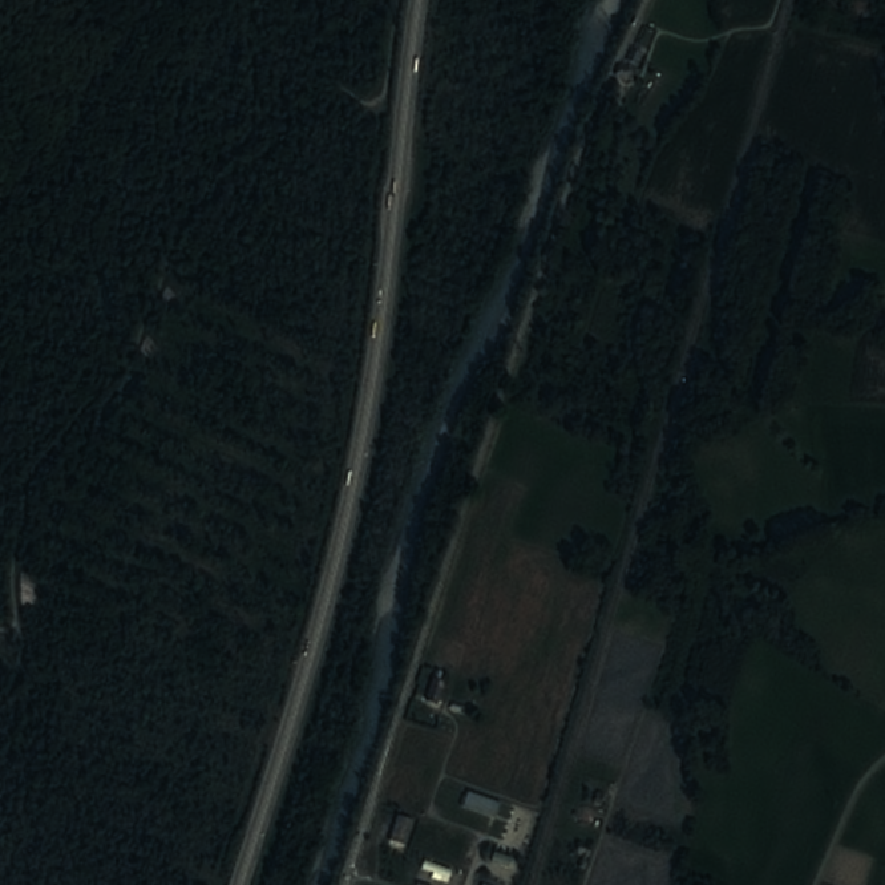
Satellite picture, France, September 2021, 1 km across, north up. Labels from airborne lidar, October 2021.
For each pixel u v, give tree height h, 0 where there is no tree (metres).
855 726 0
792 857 0
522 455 0
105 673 6
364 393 0
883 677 0
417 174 0
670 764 0
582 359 9
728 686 8
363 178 10
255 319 23
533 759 0
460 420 20
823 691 0
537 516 0
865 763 0
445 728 0
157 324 14
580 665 8
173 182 16
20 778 14
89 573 23
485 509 0
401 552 0
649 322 27
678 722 21
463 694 0
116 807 13
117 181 17
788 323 21
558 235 25
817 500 0
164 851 17
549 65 13
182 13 28
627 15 8
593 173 9
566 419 6
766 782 0
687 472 25
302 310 12
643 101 0
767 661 0
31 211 23
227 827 8
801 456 11
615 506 0
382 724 7
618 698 0
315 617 0
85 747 7
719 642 9
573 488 0
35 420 19
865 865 0
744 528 0
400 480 17
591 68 0
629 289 9
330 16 17
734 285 24
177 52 22
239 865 0
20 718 16
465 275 17
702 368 27
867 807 0
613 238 19
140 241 13
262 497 27
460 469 25
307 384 13
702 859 0
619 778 0
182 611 15
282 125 15
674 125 21
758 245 23
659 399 16
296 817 15
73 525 20
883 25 9
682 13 0
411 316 18
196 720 6
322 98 14
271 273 18
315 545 8
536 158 9
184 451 16
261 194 15
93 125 26
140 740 10
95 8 24
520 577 0
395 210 0
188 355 17
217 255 13
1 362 17
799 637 10
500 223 6
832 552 0
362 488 0
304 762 15
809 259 21
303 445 18
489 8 8
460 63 7
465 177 11
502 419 29
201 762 10
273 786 0
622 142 8
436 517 22
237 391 21
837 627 0
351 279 11
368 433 0
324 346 9
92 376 16
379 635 0
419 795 0
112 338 18
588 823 0
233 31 15
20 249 21
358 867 0
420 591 11
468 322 9
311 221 21
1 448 17
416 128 0
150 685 9
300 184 19
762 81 0
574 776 0
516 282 0
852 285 0
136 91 18
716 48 13
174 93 18
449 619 0
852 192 17
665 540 6
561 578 0
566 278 17
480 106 16
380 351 0
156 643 13
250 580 20
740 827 0
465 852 0
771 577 0
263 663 7
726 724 23
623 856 0
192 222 14
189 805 9
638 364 21
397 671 19
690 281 23
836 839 0
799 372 19
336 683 13
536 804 0
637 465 13
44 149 26
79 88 34
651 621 0
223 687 7
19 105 25
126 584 23
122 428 17
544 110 6
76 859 15
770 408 28
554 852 0
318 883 0
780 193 20
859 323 14
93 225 21
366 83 19
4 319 17
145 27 25
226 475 17
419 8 0
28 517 14
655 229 14
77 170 23
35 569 19
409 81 0
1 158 26
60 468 17
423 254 12
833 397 0
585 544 24
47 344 16
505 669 0
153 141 19
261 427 12
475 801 0
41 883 19
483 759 0
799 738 0
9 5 26
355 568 18
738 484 0
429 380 14
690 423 25
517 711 0
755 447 0
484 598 0
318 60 14
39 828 18
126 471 20
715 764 10
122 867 16
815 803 0
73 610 19
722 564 11
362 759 0
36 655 11
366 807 0
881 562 0
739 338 26
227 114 17
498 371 17
